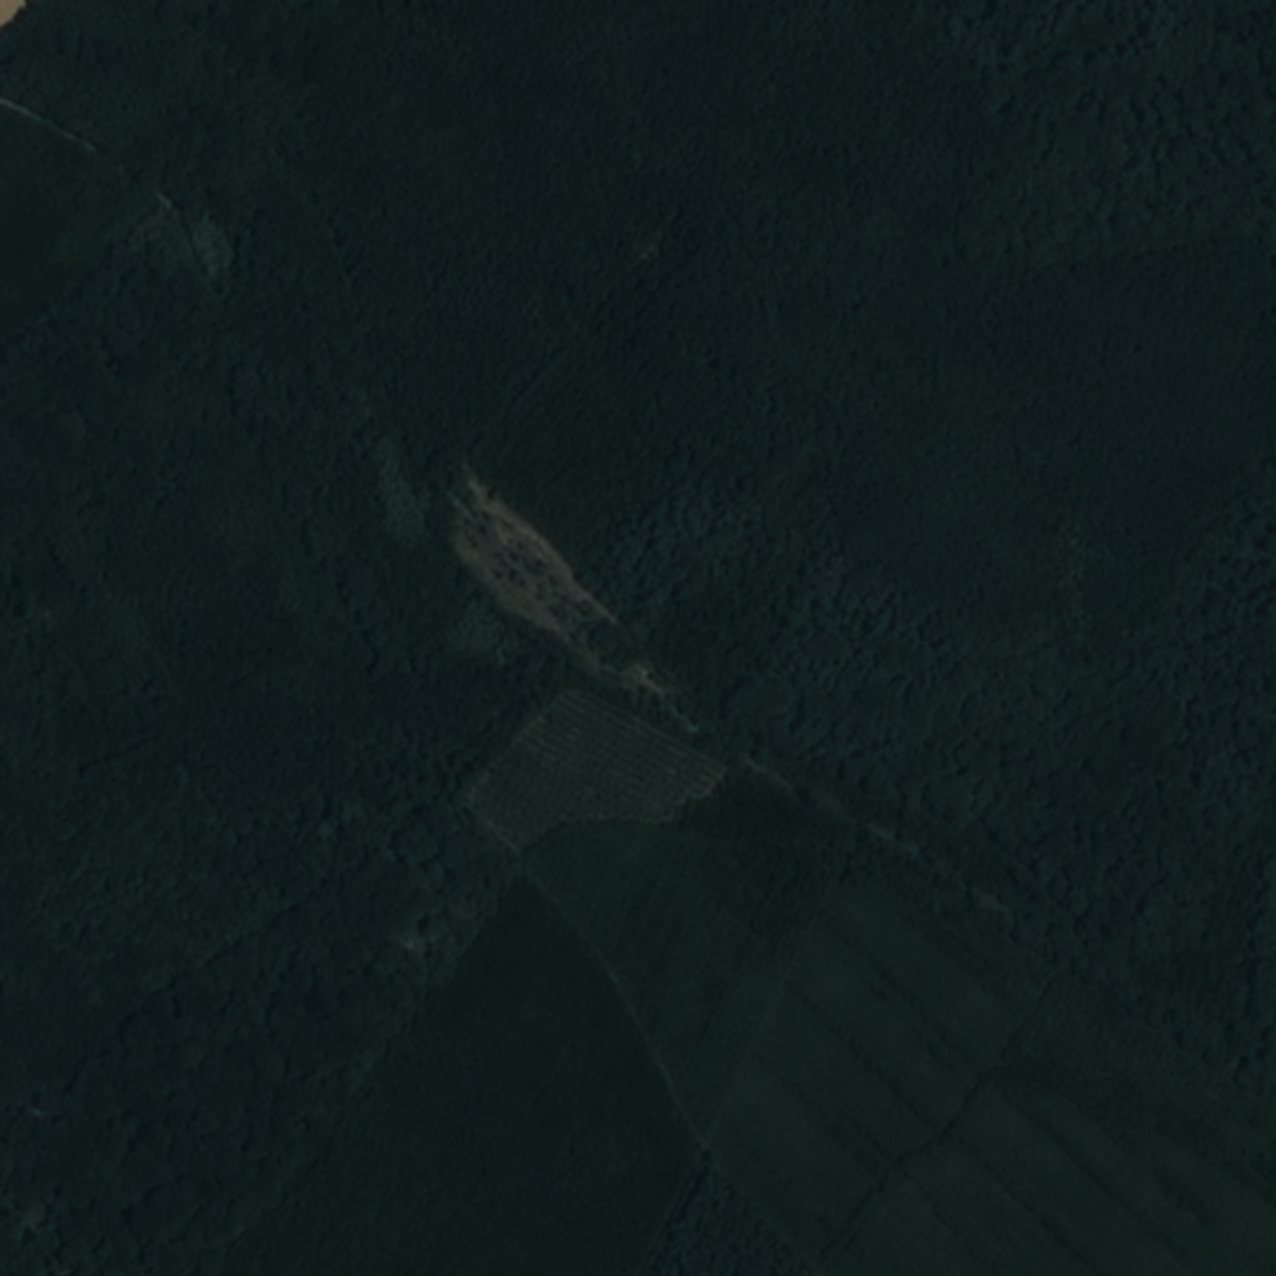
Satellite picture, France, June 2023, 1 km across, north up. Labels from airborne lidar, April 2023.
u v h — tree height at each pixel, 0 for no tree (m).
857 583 26
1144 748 30
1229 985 9
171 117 25
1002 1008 0
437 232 18
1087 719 16
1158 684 34
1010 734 25
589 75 19
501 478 10
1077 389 16
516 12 19
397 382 19
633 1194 11
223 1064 23
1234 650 24
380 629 22
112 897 19
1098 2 30
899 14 15
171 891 17
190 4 26
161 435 17
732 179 15
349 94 16
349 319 20
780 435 22
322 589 18
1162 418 20
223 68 21
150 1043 28
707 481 18
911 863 22
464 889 27
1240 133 29
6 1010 18
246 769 20
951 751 26
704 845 0
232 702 19
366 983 25
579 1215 11
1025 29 30
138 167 25
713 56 18
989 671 24
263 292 21
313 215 20
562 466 12
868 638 22
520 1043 10
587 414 14
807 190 21
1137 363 20
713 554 23
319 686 20
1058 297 19
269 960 23
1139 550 20
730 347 18
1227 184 27
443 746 22
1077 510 14
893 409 18
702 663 8
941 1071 0
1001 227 17
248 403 16
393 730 22
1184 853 25
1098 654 13
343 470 19
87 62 28
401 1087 11
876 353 14
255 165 22
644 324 17
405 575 20
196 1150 23
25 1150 25
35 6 20
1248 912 11
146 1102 25
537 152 18
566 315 13
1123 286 19
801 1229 0
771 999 0
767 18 18
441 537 34
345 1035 26
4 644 15
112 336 26
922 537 19
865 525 19
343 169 19
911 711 24
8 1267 23
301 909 18
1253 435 18
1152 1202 0
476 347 20
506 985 11
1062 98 26
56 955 17
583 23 17
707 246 15
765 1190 0
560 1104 10
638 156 17
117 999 20
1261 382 18
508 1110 12
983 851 8
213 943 18
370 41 15
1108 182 26
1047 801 24
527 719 29
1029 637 14
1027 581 15
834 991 0
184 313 28
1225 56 29
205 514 18
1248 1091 12
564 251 18
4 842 19
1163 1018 27
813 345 15
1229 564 29
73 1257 21
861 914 0
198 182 25
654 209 16
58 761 15
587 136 19
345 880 20
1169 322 17
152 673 23
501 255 19
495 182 15
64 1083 14
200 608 19
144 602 16
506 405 19
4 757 27
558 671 35
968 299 21
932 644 28
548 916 10
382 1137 8
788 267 19
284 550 7
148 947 19
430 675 24
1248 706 24
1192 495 18
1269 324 18
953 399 15
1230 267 18
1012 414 16
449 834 27
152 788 20
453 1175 11
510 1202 11
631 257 12
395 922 25
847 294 21
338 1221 6
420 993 15
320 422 18
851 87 13
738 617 13
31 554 21
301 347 21
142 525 20
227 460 18
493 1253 6
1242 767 25
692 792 0
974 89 15
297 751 23
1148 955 13
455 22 16
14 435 30
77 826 22
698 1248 22
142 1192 22
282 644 15
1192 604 24
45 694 19
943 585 20
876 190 18
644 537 16
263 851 21
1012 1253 0
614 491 11
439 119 15
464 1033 10
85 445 23
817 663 21
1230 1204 0
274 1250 8
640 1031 7
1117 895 22
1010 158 23
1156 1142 0
